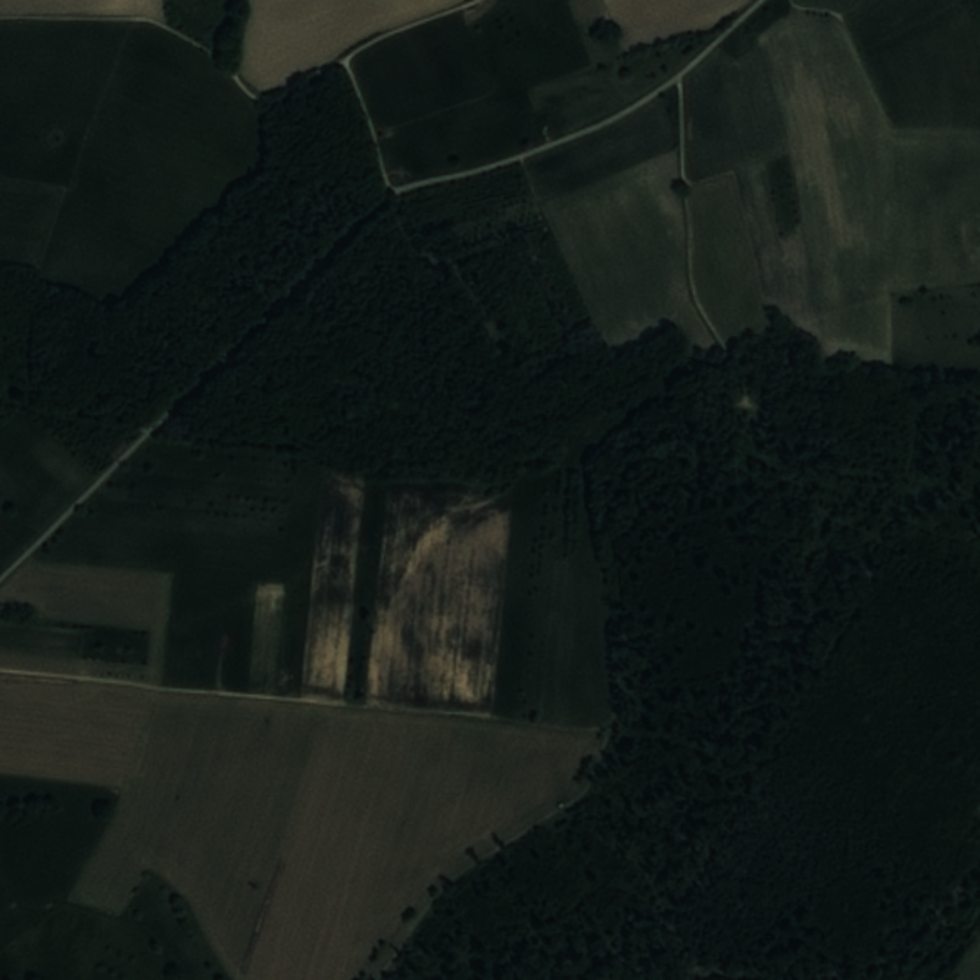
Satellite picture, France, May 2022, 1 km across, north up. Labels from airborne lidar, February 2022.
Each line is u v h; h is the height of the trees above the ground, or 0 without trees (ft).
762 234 0
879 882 93
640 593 31
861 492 39
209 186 0
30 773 0
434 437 69
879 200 0
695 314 0
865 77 0
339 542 0
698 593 35
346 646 0
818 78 0
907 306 38
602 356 63
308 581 0
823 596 34
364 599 0
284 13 0
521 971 81
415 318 63
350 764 0
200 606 0
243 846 0
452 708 0
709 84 0
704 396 79
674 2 0
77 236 0
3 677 0
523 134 0
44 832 0
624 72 39
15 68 0
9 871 0
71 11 0
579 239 0
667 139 0
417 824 0
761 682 100
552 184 0
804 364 65
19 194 0
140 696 0
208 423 71
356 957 0
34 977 43
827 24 0
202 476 0
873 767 33
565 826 20
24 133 0
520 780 0
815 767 36
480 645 0
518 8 0
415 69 0
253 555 0
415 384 65
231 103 0
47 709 0
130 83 0
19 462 0
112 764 0
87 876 0
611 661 28
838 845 50
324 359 75
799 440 45
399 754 0
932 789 33
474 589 0
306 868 0
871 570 99
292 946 0
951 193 0
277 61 0
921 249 0
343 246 60
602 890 22
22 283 29
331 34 0
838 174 0
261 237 68
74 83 0
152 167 0
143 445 0
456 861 0
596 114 0
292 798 0
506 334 38
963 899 33
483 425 84
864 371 41
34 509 0
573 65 0
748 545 92
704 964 80
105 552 0
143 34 0
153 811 0
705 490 97
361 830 0
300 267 71
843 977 78
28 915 0
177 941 0
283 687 0
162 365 73
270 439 61
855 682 31
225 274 71
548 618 0
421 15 0
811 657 87
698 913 56
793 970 79
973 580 24
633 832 103
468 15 0
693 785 97
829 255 0
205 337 73
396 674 0
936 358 0
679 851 94
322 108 57
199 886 0
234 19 43
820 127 0
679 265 0
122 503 0
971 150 0
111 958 0
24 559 0
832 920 38
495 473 69
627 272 0
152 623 0
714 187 0
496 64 0
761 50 0
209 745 0
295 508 0
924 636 34
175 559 0
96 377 65
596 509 63
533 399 69
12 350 33
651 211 0
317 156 61
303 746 0
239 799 0
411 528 0
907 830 27
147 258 0
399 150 0
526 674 0
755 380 38
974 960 0
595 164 0
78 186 0
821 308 0
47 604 0
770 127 0
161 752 0
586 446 0
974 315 0
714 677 34
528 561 0
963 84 0
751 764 92
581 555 0
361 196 70
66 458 0
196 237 63
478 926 20
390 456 62
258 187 63
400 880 0
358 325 71
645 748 26
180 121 0
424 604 0
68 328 76
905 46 0
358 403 79
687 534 45
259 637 0
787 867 59
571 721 0
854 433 36
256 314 71
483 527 0
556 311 59
